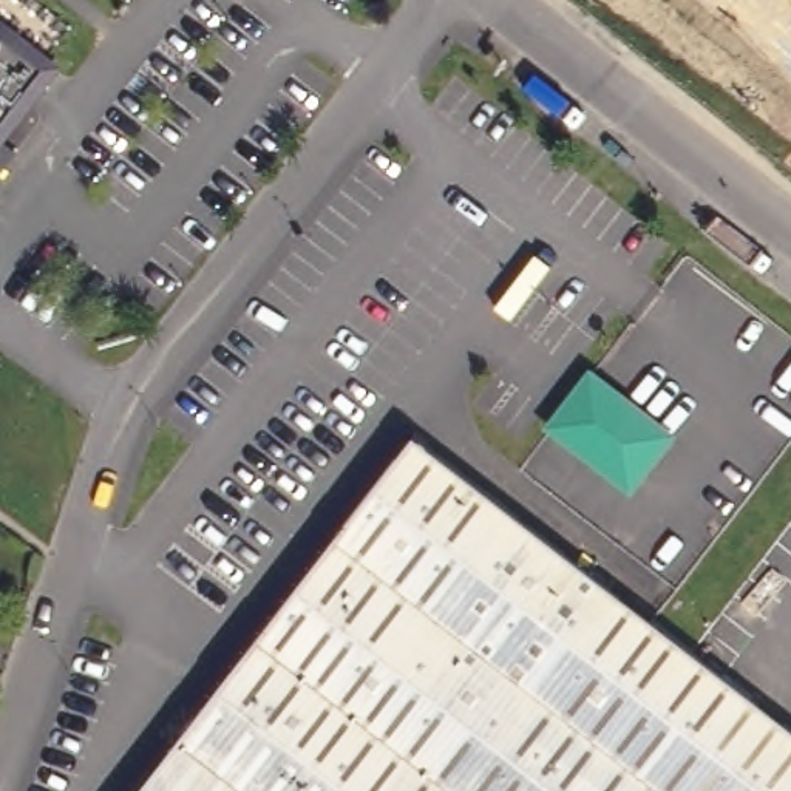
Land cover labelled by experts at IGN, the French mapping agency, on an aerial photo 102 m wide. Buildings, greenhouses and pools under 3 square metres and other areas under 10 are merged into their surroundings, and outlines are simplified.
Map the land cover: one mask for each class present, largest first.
<instances>
[{"label":"impervious surface","instance_id":"1","mask_svg":"<svg viewBox=\"0 0 791 791\"><path fill-rule=\"evenodd\" d=\"M0 15L15 19L25 31H31V37L40 46H49L56 37L53 15H37V9L25 0H0ZM96 31V40L90 59L77 74L68 77L59 68L43 71L0 124V352H6L12 362H19L28 374L43 380L56 396H62L74 411L87 417V436L53 538H37L31 528H25L6 510H0V522L9 531H15L25 544L37 547L43 556V578L28 593L25 624L15 633L12 649L0 643V791H139L148 782V776L161 766V760L170 754V748L182 738V732L192 726V720L201 714V708L210 701V695L247 655L256 637L266 630V624L278 615L287 596L297 590V584L309 575L318 556L343 531L349 516L358 510V504L380 482V476L402 454L405 445H420L454 476L473 485L479 494H485L494 507H501L510 519L528 528L538 541L556 550L565 562H572L581 575H587L581 581L584 590L599 584L630 612H637L646 624L664 633L670 643H677L689 658L704 664L714 677L732 686L742 698H748L757 711L776 720L785 732H791V522L782 531V538L769 547V553L760 559V565L751 572V578L726 603L720 618L704 624L701 637H689L683 627L670 621V615L683 606L677 590L683 587V581L695 572L708 547L732 525L735 513H742V507L751 501V491L760 488L763 476L791 445V334L766 321L757 306L738 297L732 287H726L720 278H714L704 266H698L695 256H680L674 269L664 275V281H652L649 266L661 256L664 241L643 235L640 226H633L637 216L630 210L612 204L575 170L553 167L550 151L541 145L538 136L516 130L513 114L504 105H488L479 93H473L467 87V77L451 80L436 102L423 99L420 80H426L433 65L454 43L479 53H491V46H497L501 62L494 74H507L510 68H516V77L525 80V96L544 114L562 121L569 130H575L584 142H590L615 164H621L643 185V192L655 198V204H670L677 213L695 222V229H701L704 238H711L723 256L738 263L745 272H754L772 294L791 303V179H785L751 142H745L732 127H726L689 93H683L658 68H652L643 56H637L593 15H584L572 0H62ZM309 53L324 56L343 71L340 90L324 108H318V96L328 93V80L309 68ZM300 124L306 130L300 136V151L287 167H278L275 179H266L263 173L275 164V139ZM56 247L68 256L77 253L90 266L80 275L71 297L65 300L68 309L83 306L90 297H111L114 303L130 306L148 300V306L161 318L158 334L148 337L127 362L99 365L83 352V340L71 337V324L53 315V309H43V318L31 312L34 297H28L34 272L43 266V253ZM612 315H624L621 337L599 362L584 358L587 346ZM491 374V380L497 383V399L485 414L510 433H522L535 417L547 420L556 414V408L565 402L575 383L584 374H593L618 396L633 392L637 402L658 414L664 426L674 433V445L649 470L640 488L633 494H624L596 470H590L581 457H575L572 451L544 436L522 457V463H507L473 429L467 417V386L473 374ZM164 423L185 439V454L170 470L164 485L151 494V501L142 507L136 522L124 525L121 516L133 494L148 442L154 429ZM90 615H105L111 624H117L121 643L111 646L105 640L87 637ZM612 12L640 25L670 56L683 59L701 77L720 83L735 102H742L751 114H757L766 127H772L779 136L791 142V0H603Z\"/></svg>","mask_w":791,"mask_h":791},{"label":"building","instance_id":"2","mask_svg":"<svg viewBox=\"0 0 791 791\"><path fill-rule=\"evenodd\" d=\"M59 68L49 46H40L31 37V31H25L15 19L0 15V124L43 71ZM544 436L572 451L575 457H581L590 470H596L624 494H633L640 488L649 470L674 445V433L664 426L658 414L637 402L633 392L618 396L593 374H584L575 383L565 402L556 408V414L547 420ZM587 575H581L572 562H565L556 550L538 541L528 528L510 519L501 507H494L485 494H479L473 485L454 476L420 445H405L402 454L380 476V482L358 504V510L349 516L343 531L318 556L309 575L297 584V590L287 596L278 615L266 624V630L256 637L247 655L210 695V701L201 708V714L192 720V726L182 732V738L170 748V754L161 760V766L148 776V782L139 791H791V732H785L776 720L757 711L748 698H742L732 686L714 677L704 664L689 658L677 643H670L664 633L646 624L637 612H630L599 584L584 590L581 581Z\"/></svg>","mask_w":791,"mask_h":791},{"label":"herbaceous vegetation","instance_id":"3","mask_svg":"<svg viewBox=\"0 0 791 791\"><path fill-rule=\"evenodd\" d=\"M37 9V15H53L56 37L49 46L59 68L68 77L77 74L90 59L96 40V31L62 0H25ZM584 15H593L637 56H643L652 68H658L683 93H689L726 127H732L745 142H751L785 179H791V142L779 136L772 127H766L757 114H751L742 102H735L720 83L701 77L683 59L670 56L640 25L612 12L603 0H572ZM501 62L497 46H491V53H479L454 43L433 65L426 80H420L423 99L436 102L451 80L467 77V87L473 93H479L488 105H504L513 114L516 130L538 136V121L544 114L525 96V80L516 77V68H510L507 74H494ZM309 68L328 80V93L318 96V108H324L340 90L343 71L324 56L309 53ZM553 167L575 170L612 204L630 210L637 216L633 226H640L643 235L664 241L661 256L649 266L652 281H664V275L674 269L680 256H695L698 266H704L714 278H720L726 287H732L738 297L757 306L766 321L791 334V303L772 294L754 272H745L738 263L723 256L711 238H704L701 229H695V222L677 213L670 204H655V198L643 192V185L621 164H615L590 142H584L575 130H569L565 142H559L550 151ZM43 309H53V315L71 324V337L83 340V352L99 365L127 362L148 337H108V328L117 318L114 303L111 297H90L83 306L68 309L65 300L56 290L46 297H34L31 312L43 318ZM624 315H612L587 346L584 358L599 362L621 337ZM87 436V417L74 411L62 396H56L43 380L28 374L19 362H12L6 352H0V510H6L25 528H31L37 538H53ZM497 399V383L491 380V374H473L467 386V417L473 429L507 463H522V457L544 436L547 420L535 417L522 433H510L485 414ZM185 454V439L164 423L154 429L148 442L133 494L121 516L124 525L136 522L142 507L151 501V494L164 485L170 470ZM791 522V445L763 476L760 488L751 491V501L742 507V513H735L732 525L708 547L695 572L683 581V587L677 590L683 606L670 615V621L683 627L689 637H701L704 624L720 618L726 603L751 578V572L760 565V559L769 553V547L782 538V531ZM43 556L37 547L25 544L15 531H9L0 522V593H28L43 578ZM87 637L105 640L111 646L121 643L117 624H111L105 615H90Z\"/></svg>","mask_w":791,"mask_h":791},{"label":"deciduous trees","instance_id":"4","mask_svg":"<svg viewBox=\"0 0 791 791\"><path fill-rule=\"evenodd\" d=\"M43 266L34 272L28 297H46L56 290L65 300L71 297L80 275L90 266L77 253L68 256L56 247L43 253ZM117 318L108 328V337H148L158 334L161 318L148 306V300L130 306L114 303ZM28 593H0V643L12 649L15 633L25 624Z\"/></svg>","mask_w":791,"mask_h":791},{"label":"brushwood","instance_id":"5","mask_svg":"<svg viewBox=\"0 0 791 791\"><path fill-rule=\"evenodd\" d=\"M569 130L562 121L544 114L538 121V136L541 145L550 151L559 142H565ZM306 130L300 124L275 139V164L263 173L266 179H275L278 167H287L300 151V136Z\"/></svg>","mask_w":791,"mask_h":791}]
</instances>
